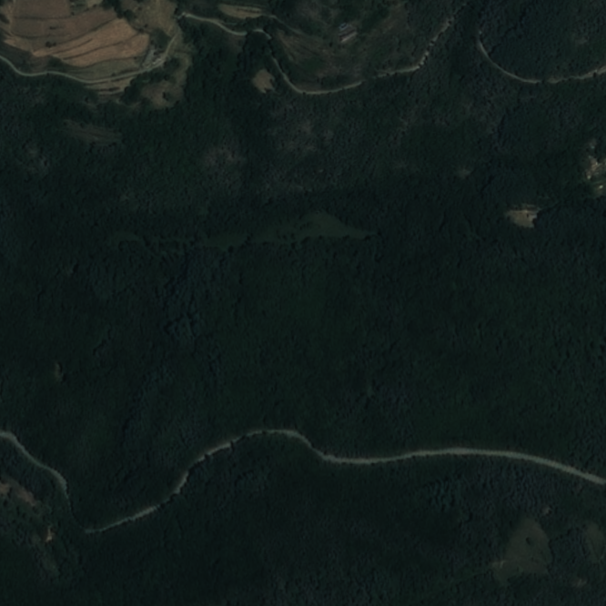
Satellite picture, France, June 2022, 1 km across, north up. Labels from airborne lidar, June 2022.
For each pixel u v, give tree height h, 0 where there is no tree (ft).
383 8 19
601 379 43
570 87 51
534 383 56
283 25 29
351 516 59
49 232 110
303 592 69
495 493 62
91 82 0
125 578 71
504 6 66
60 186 91
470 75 65
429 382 52
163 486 68
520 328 66
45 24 0
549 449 56
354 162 59
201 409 49
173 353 70
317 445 60
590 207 76
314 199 92
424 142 37
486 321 60
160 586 68
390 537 61
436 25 47
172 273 44
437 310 70
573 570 64
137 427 136
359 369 63
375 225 75
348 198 63
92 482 77
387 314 73
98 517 93
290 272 51
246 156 46
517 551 0
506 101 43
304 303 56
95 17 0
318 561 64
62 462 70
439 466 49
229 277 104
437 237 83
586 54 29
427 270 83
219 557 91
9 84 31
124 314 89
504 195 126
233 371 68
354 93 37
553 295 68
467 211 79
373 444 77
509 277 57
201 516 89
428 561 45
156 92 0
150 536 65
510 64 70
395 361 64
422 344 47
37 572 67
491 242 39
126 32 0
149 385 136
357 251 61
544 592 49
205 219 72
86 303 84
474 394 64
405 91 46
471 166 42
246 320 51
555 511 54
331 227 0
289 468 60
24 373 47
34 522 47
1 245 109
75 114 46
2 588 69
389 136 47
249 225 87
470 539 54
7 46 0
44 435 40
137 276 79
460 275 96
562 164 49
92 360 84
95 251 90
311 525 66
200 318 81
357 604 74
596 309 74
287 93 40
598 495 25
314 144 36
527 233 68
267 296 71
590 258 88
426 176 60
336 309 74
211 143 31
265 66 52
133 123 58
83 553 96
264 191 35
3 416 56
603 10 32
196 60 43
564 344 71
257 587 68
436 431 67
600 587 47
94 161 63
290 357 72
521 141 96
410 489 62
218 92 69
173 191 55
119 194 40
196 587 76
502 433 48
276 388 67
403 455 53
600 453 79
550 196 36
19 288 105
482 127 54
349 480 73
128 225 74
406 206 94
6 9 0
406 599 39
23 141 55
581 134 48
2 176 88
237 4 20
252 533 79
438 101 50
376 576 88
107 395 75
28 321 73
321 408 70
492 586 53
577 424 68
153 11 0
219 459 59
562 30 72
